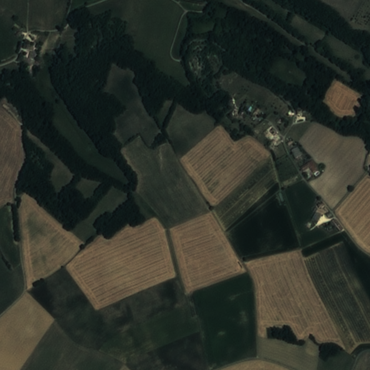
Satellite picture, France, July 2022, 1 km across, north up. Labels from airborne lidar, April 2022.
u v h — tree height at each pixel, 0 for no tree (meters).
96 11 0
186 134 0
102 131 16
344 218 0
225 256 0
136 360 0
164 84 15
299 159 0
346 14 0
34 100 21
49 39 0
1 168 0
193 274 0
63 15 0
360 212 0
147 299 0
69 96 15
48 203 15
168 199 0
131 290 0
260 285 0
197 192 0
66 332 0
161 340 0
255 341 0
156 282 0
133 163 0
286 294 0
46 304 0
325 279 0
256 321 0
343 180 0
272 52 15
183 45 10
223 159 0
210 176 0
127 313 0
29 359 0
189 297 0
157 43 0
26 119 15
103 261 0
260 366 0
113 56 13
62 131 0
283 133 0
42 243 0
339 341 0
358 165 0
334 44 0
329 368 0
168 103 0
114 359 0
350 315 0
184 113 0
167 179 0
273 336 12
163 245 0
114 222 21
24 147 13
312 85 6
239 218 0
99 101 11
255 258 0
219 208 0
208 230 0
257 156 0
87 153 0
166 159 0
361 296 0
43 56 0
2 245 0
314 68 9
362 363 0
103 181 11
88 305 0
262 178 0
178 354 0
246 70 13
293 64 0
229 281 0
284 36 14
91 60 11
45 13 0
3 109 0
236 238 0
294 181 0
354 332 0
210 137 0
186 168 0
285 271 0
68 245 0
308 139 0
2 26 0
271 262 0
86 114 18
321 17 22
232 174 0
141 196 0
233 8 11
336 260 0
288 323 0
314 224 0
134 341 0
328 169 0
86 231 0
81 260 0
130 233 0
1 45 0
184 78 0
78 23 21
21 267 0
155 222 0
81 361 0
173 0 0
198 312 0
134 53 21
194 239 0
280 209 0
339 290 0
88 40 14
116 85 0
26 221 0
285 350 0
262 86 10
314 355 0
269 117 0
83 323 0
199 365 0
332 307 0
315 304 0
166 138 8
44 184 18
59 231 0
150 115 15
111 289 0
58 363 0
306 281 0
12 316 0
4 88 13
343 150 0
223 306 0
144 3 0
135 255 0
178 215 0
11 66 0
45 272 0
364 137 11
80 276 0
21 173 17
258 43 19
